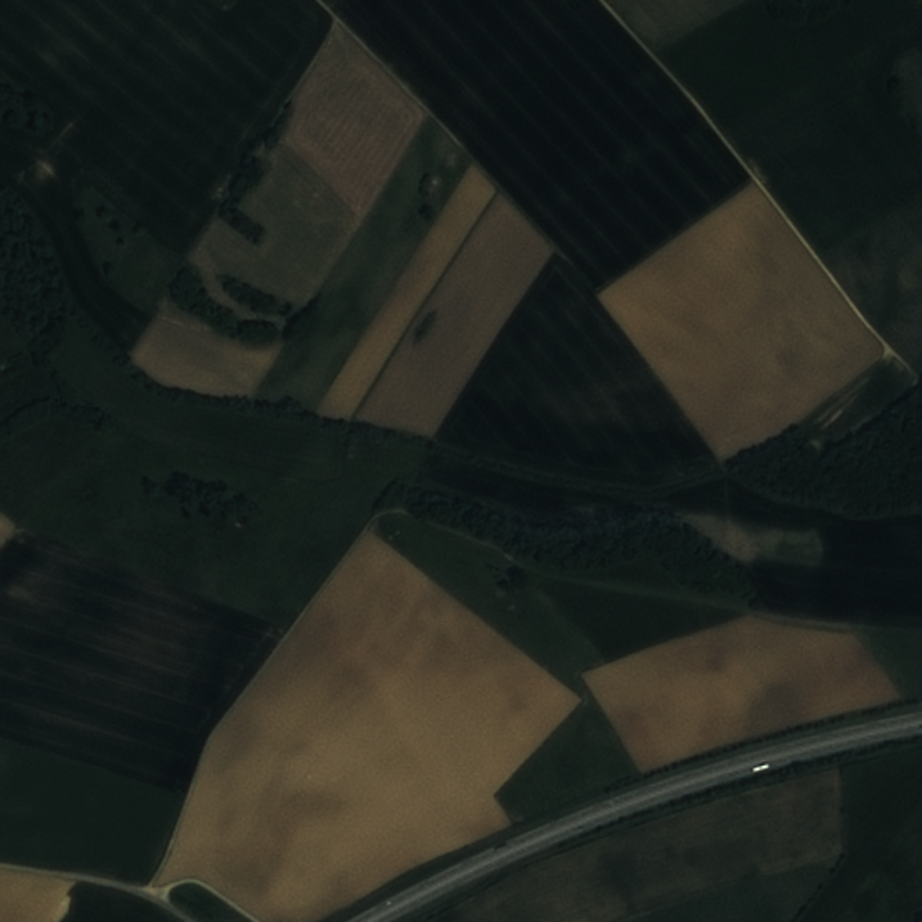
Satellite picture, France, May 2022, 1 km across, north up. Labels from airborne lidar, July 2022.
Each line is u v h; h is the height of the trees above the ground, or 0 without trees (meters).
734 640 0
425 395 0
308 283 0
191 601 0
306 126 0
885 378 0
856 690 0
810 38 0
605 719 0
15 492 0
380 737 0
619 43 0
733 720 0
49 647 0
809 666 0
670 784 0
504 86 0
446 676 0
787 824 0
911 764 0
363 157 0
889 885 0
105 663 0
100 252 0
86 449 0
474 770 0
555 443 0
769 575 0
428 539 0
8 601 0
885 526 0
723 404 0
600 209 0
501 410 0
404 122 0
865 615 0
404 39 0
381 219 0
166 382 0
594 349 0
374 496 0
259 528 0
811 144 0
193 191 0
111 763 0
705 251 0
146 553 0
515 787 0
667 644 0
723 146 0
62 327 16
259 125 0
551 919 0
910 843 0
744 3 0
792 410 0
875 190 0
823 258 0
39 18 0
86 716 0
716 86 0
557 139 0
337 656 0
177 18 0
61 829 0
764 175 0
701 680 0
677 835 0
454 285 0
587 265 0
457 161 0
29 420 7
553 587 0
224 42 0
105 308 0
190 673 0
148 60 0
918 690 0
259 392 0
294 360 0
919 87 0
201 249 0
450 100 0
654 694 0
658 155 0
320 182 0
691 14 0
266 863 0
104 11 0
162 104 0
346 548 0
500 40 0
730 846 0
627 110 0
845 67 0
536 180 0
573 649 0
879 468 16
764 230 0
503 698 0
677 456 0
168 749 0
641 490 0
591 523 24
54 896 0
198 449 0
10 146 0
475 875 0
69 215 0
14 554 0
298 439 0
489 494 0
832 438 0
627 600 0
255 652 0
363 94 0
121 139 0
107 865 0
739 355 0
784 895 0
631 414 0
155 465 0
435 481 0
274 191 0
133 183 0
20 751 0
